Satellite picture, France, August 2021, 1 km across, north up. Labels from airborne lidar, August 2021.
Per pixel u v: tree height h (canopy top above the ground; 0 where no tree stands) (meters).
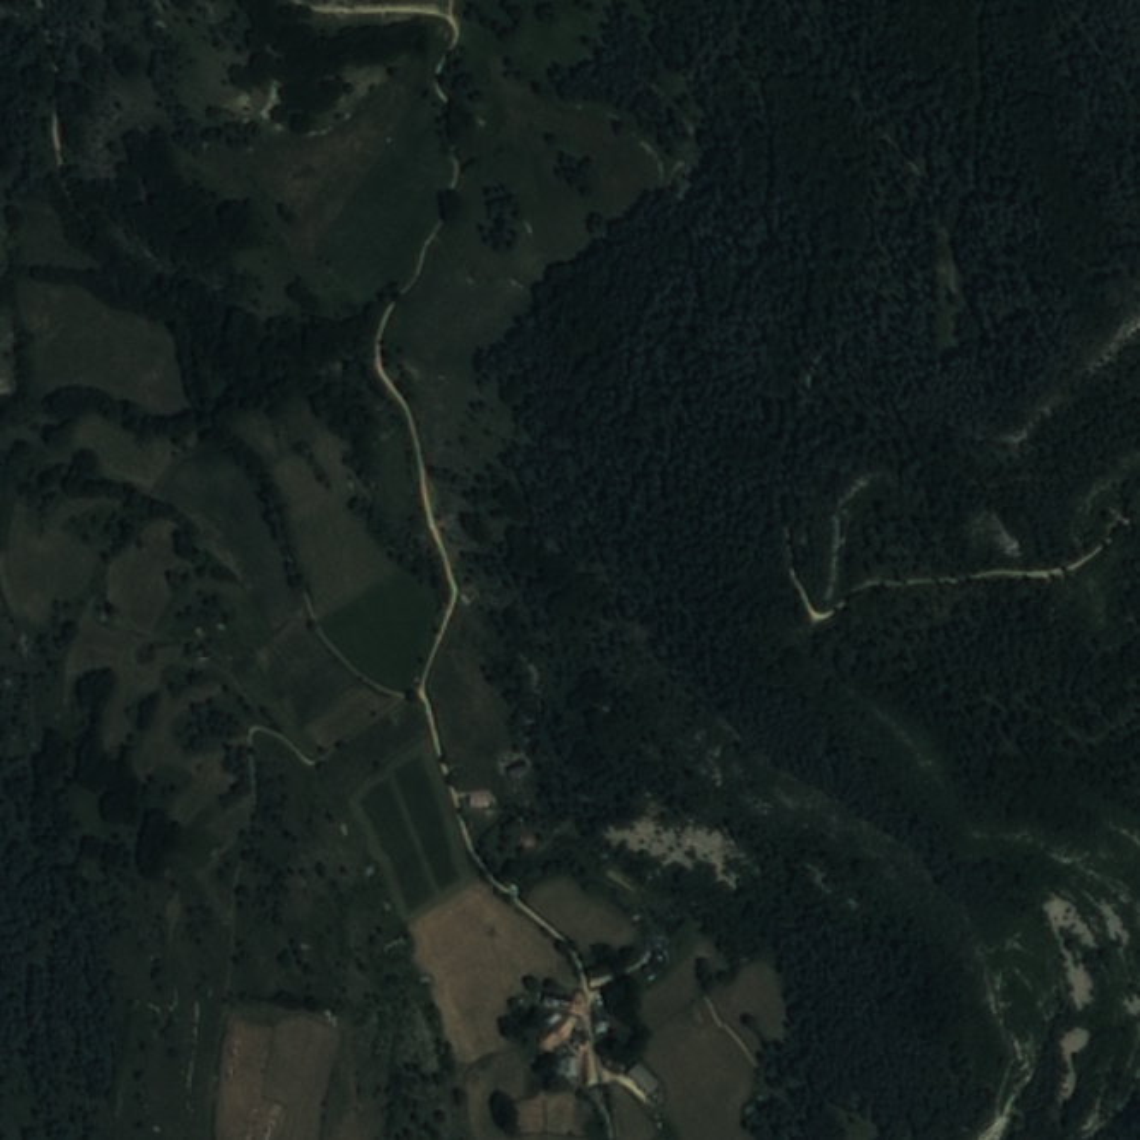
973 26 19
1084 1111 21
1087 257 11
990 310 27
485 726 0
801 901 12
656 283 17
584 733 5
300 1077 0
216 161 0
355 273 0
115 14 13
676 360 13
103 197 12
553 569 15
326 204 0
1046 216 20
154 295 21
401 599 0
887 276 27
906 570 26
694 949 0
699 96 13
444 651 0
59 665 5
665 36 13
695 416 12
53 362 0
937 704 18
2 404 10
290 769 0
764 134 28
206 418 18
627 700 9
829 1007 20
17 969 11
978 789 17
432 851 0
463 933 0
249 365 18
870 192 18
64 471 10
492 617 9
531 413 13
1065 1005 20
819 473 19
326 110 9
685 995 0
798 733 27
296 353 15
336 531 0
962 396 24
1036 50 17
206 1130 0
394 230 0
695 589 22
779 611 16
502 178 0
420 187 0
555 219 0
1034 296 19
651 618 16
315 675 0
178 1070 0
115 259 17
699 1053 0
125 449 0
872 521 7
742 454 19
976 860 8
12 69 16
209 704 7
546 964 0
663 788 9
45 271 11
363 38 13
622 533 18
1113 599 7
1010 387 15
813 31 21
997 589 19
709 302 21
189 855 0
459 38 0
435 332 0
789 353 12
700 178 15
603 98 15
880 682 15
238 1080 0
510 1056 0
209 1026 0
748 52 19
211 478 0
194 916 7
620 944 0
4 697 9
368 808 0
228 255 11
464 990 0
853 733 9
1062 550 21
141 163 12
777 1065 8
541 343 17
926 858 20
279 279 0
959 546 18
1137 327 18
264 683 0
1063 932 6
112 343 0
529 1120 0
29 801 11
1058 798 8
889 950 12
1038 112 18
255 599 0
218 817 0
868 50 16
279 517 12
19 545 0
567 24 0
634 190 0
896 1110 12
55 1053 9
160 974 9
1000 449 13
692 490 25
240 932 0
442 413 0
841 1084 14
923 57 18
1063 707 26
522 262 0
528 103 0
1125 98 18
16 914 12
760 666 16
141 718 7
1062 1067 20
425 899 0
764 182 16
